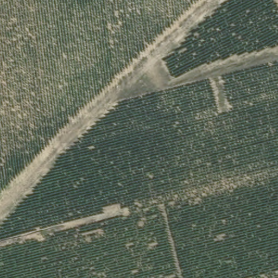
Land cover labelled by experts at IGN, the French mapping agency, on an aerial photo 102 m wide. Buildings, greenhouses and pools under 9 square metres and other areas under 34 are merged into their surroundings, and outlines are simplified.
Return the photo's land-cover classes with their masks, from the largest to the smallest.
<instances>
[{"label":"vineyard","instance_id":"1","mask_svg":"<svg viewBox=\"0 0 278 278\"><path fill-rule=\"evenodd\" d=\"M195 0H0V192L48 146L49 141L68 123L69 117L75 116L98 96L104 87L110 85L115 75L121 73L132 59H136L157 36L173 25ZM223 3L212 15L205 16L202 22L191 28L185 40L180 42V46L172 49L173 53L163 58L168 69L170 75L177 77L192 68L225 60L233 54L239 55L278 46V0H222ZM227 101L232 106L228 112L217 111L214 92L208 79L154 91L142 98L118 102L115 108L91 126L83 137L77 138L74 146L56 157L49 172L38 182L33 193L27 194L15 207L14 212L0 225V278H278V61H274L270 66L261 64L223 74Z\"/></svg>","mask_w":278,"mask_h":278},{"label":"pervious surface","instance_id":"2","mask_svg":"<svg viewBox=\"0 0 278 278\"><path fill-rule=\"evenodd\" d=\"M223 3L222 0H195L173 25L157 36L136 59H132L121 73L115 75L110 85L104 87L98 96L75 116L69 117L68 123L49 141L48 146L0 192V225L14 212L15 207L27 194L33 193L38 182L49 172L56 157L74 146L77 138L83 137L91 126L115 108L118 102L119 92L131 88L144 73L151 77L160 68L165 72L168 69L163 58L173 53L172 49L180 46V42L185 40L191 28L202 22L205 16L212 15Z\"/></svg>","mask_w":278,"mask_h":278},{"label":"herbaceous vegetation","instance_id":"3","mask_svg":"<svg viewBox=\"0 0 278 278\"><path fill-rule=\"evenodd\" d=\"M274 61H278V46L239 55L233 54L225 60L192 68L177 77L170 75L168 69L165 72L160 68L151 77L144 73L131 88L119 92L118 102L142 98L154 91L208 79L214 92L217 111L228 112L232 106L227 101L223 74L261 64L270 66Z\"/></svg>","mask_w":278,"mask_h":278}]
</instances>
